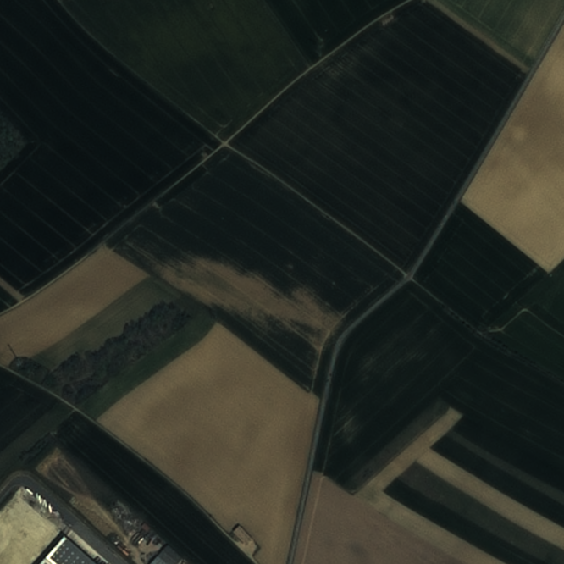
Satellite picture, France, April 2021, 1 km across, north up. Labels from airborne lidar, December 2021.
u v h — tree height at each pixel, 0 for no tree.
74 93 0
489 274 0
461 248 0
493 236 0
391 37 0
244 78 0
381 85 0
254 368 0
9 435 0
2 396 0
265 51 0
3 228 0
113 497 0
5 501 0
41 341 0
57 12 0
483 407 0
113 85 0
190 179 0
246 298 0
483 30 0
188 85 0
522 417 0
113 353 17
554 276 0
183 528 0
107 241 0
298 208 0
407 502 0
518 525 0
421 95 0
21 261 0
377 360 0
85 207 0
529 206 0
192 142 0
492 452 0
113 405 0
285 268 0
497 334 0
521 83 0
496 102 0
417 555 0
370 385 0
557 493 0
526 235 0
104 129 0
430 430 0
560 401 0
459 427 0
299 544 0
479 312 0
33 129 0
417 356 0
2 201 0
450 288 0
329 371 0
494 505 0
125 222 0
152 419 0
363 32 0
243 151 0
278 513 0
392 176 0
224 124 0
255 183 0
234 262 0
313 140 0
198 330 0
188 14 0
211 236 0
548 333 0
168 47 0
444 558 0
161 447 0
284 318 0
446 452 0
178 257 0
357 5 0
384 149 0
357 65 0
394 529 0
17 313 0
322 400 0
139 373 0
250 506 0
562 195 0
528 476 0
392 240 0
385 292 0
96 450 0
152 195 0
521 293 0
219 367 0
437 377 0
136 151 0
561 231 0
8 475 0
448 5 0
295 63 0
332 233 0
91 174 0
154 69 0
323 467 0
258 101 0
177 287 0
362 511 0
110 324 0
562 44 0
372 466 0
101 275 0
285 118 0
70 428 0
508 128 0
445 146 0
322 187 0
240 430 0
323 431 0
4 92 0
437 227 0
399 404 0
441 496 0
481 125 0
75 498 0
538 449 0
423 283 0
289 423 0
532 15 0
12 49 0
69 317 0
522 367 0
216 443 0
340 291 0
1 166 19
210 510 0
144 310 0
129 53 0
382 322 0
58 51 0
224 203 0
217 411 0
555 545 0
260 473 0
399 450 0
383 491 0
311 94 0
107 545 0
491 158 0
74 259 0
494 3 0
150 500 0
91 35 0
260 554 0
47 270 0
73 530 0
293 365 0
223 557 0
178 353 0
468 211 0
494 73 0
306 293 0
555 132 0
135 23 0
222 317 0
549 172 0
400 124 0
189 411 0
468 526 0
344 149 0
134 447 0
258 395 0
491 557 0
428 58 0
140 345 20
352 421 0
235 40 0
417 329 0
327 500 0
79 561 0
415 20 0
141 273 0
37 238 0
